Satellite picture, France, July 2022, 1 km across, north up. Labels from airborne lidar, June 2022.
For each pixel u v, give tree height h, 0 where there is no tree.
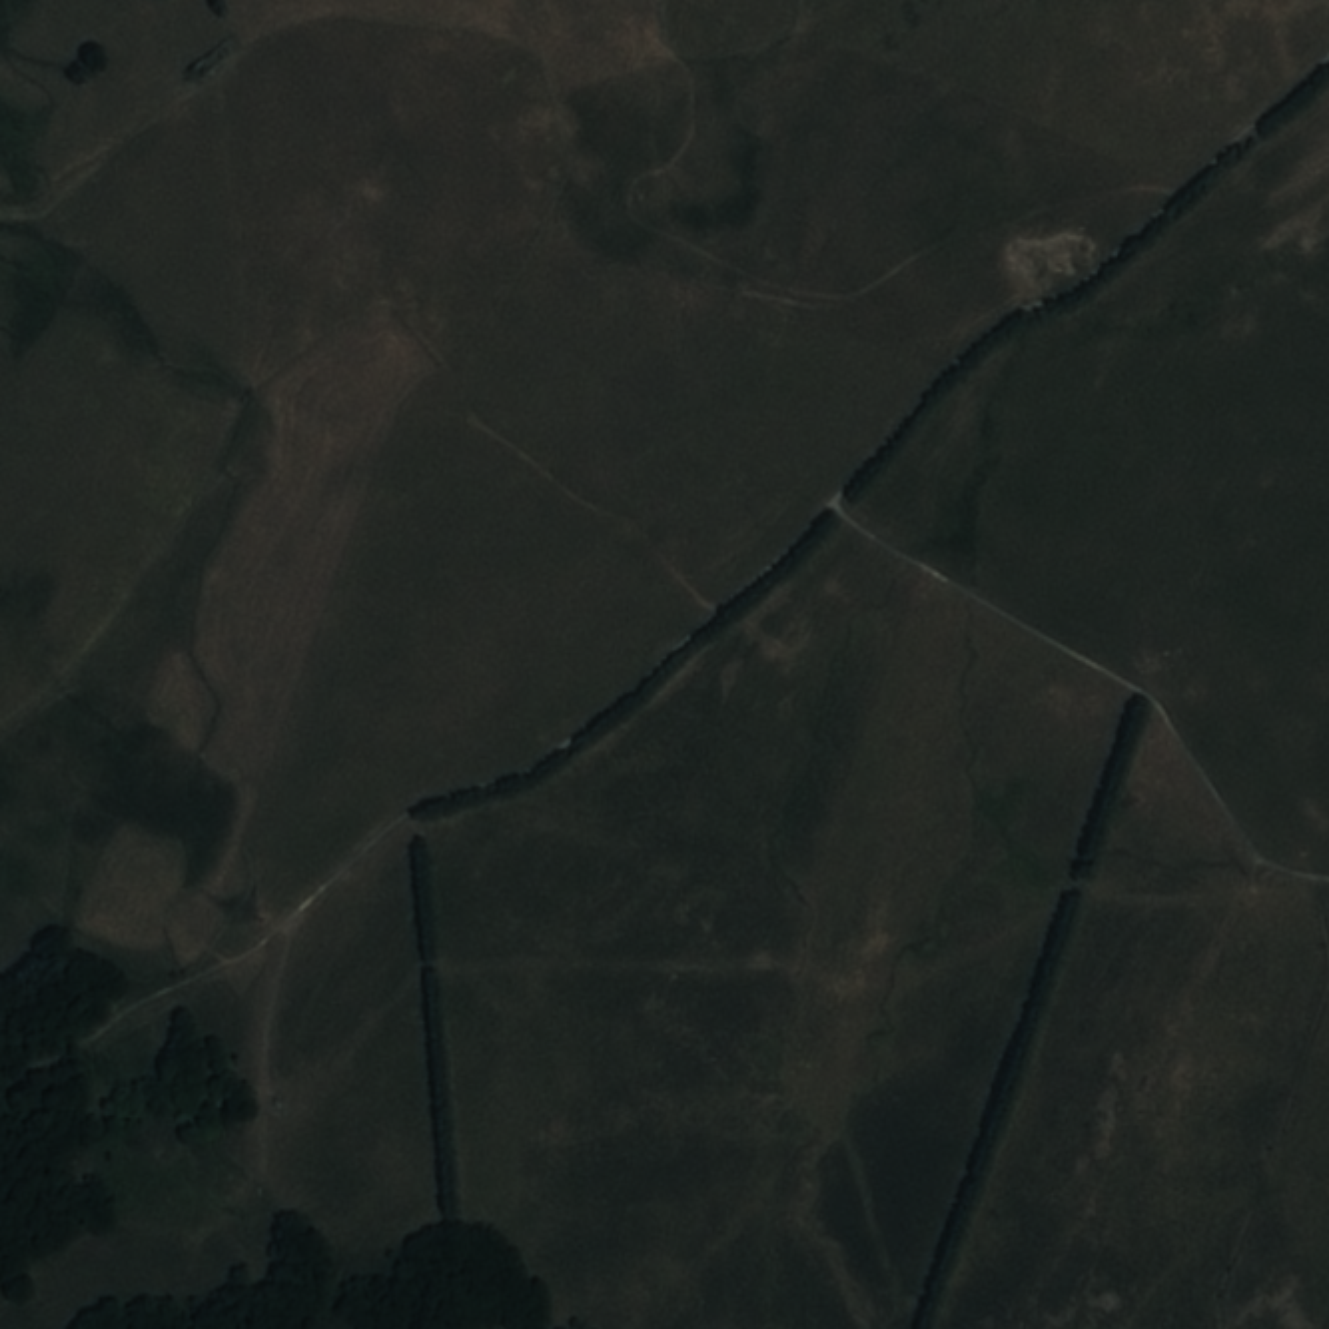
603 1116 0
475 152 0
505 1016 0
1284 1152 0
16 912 0
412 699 0
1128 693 0
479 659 0
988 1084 0
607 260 0
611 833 0
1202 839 0
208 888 0
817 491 0
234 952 0
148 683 0
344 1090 0
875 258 0
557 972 0
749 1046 0
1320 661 0
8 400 0
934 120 0
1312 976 0
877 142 0
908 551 0
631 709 15
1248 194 0
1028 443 0
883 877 0
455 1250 17
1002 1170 0
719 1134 0
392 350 0
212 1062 11
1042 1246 0
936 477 0
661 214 0
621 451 0
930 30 0
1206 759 0
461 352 0
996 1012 0
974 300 0
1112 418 0
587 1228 0
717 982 0
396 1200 0
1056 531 0
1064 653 0
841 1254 0
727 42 0
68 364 0
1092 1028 0
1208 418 0
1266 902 0
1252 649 0
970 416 0
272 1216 0
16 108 0
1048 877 0
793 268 0
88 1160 0
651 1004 0
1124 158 0
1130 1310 0
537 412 0
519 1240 0
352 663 0
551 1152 0
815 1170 0
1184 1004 0
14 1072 16
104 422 0
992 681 0
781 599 0
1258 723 0
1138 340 0
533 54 0
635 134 0
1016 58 0
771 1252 0
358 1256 0
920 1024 0
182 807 0
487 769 0
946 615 0
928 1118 0
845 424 0
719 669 0
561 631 0
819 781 0
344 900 0
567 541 0
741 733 0
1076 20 0
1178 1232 0
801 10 0
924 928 0
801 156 0
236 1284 10
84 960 16
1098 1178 0
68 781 0
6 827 0
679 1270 0
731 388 0
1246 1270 0
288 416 0
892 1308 0
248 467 0
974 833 0
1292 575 0
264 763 0
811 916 0
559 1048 0
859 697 0
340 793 0
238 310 0
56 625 0
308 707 0
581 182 0
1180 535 0
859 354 0
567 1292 0
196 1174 0
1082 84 0
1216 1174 0
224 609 0
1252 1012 0
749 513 0
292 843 0
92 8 0
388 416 0
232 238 0
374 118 0
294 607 0
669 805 0
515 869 0
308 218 0
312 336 0
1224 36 0
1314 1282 0
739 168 0
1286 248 0
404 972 0
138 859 0
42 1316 0
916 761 0
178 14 0
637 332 0
